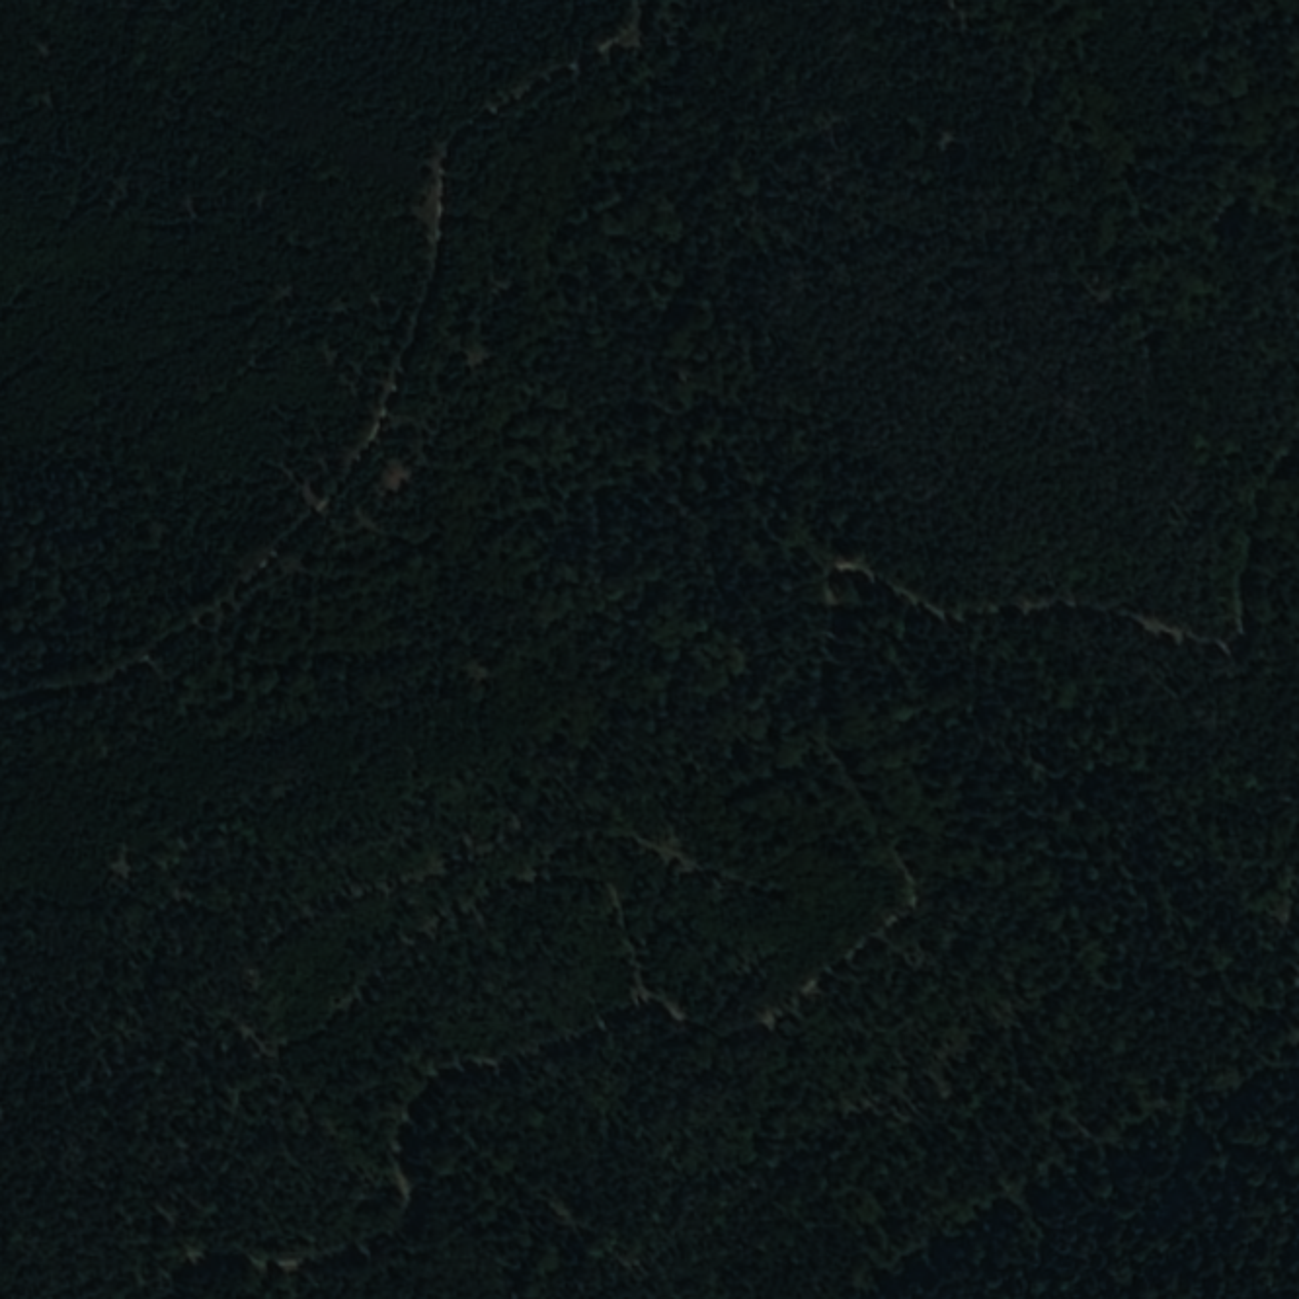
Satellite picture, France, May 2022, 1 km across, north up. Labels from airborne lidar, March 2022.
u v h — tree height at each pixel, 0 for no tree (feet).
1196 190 110
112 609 54
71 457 42
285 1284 61
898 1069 52
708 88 78
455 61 56
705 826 51
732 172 70
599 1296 70
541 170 40
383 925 22
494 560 73
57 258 22
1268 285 117
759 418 123
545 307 41
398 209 32
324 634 61
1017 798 56
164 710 54
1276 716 77
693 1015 54
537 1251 102
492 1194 66
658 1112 89
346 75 50
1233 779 77
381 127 50
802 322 88
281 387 28
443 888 25
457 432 36
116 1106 89
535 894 46
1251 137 102
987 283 91
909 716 37
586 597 50
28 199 45
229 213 33
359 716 72
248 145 39
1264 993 93
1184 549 81
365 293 41
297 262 37
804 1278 128
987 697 138
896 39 81
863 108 63
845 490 83
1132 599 59
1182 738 92
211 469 24
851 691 111
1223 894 83
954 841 134
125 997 89
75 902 35
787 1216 113
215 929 82
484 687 29
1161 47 47
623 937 38
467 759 31
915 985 119
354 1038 52
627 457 108
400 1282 89
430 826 95
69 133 37
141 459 41
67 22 49
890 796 95
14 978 79
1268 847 68
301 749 67
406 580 74
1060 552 97
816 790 79
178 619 51
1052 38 51
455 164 38
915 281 87
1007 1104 49
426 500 56
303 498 41
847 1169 85
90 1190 98
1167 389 92
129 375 36
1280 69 98
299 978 33
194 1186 100
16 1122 94
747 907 36
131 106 60
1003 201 81
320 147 33
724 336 92
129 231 31
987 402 73
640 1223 48
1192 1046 101
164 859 53
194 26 39
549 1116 89
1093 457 82
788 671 25
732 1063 85
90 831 35
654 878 32
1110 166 57
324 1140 94
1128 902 120
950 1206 32
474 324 52
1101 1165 83
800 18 78
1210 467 83
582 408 101
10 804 39
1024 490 81
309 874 30
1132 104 72
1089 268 43
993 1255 132
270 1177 71
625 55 43
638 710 36
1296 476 98
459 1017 108
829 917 36
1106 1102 142
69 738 59
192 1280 126
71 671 73
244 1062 82
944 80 66
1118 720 67
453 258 54
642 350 120
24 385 38
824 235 96
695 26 80
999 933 123
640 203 106
